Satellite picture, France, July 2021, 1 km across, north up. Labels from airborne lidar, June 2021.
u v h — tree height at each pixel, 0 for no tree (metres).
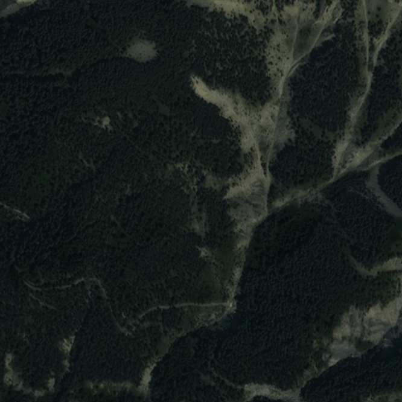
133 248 9
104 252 16
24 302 23
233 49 15
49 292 15
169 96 22
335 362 0
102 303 24
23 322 10
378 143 0
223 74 15
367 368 17
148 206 24
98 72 25
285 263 32
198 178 9
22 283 10
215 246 13
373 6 0
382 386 32
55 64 25
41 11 9
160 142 9
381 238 27
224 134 18
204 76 13
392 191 22
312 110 17
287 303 36
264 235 13
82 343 14
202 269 15
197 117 18
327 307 29
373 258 15
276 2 7
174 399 23
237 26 14
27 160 24
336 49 13
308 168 20
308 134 12
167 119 23
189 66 13
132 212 25
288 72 0
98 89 27
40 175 8
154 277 18
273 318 29
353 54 18
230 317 0
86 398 7
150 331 15
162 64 19
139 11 19
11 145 31
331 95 15
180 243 13
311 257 22
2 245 22
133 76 23
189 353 5
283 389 19
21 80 33
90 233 12
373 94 14
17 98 23
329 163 10
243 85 14
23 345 14
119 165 28
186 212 14
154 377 23
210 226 16
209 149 23
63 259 19
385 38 0
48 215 20
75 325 20
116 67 22
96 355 20
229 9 0
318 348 7
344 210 22
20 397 14
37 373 14
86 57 24
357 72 9
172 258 13
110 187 18
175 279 16
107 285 23
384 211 7
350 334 0
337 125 18
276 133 0
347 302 24
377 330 0
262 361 11
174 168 9
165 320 15
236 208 8
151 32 18
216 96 0
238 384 19
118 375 22
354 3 12
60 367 16
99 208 21
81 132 24
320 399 16
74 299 11
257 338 26
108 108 19
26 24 34
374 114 16
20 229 7
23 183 26
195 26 12
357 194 6
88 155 11
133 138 27
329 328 22
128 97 24
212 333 12
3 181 16
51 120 28
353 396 9
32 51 33
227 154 19
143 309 16
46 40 33
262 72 15
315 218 0
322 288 33
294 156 25
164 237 16
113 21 18
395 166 17
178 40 22
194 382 23
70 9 22
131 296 20
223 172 16
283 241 9
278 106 0
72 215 20
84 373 25
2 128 28
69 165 20
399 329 0
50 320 9
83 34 29
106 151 28
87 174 17
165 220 17
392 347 0
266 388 0
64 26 23
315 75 15
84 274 9
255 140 0
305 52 0
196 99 19
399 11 0
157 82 22
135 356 13
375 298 11
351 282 26
